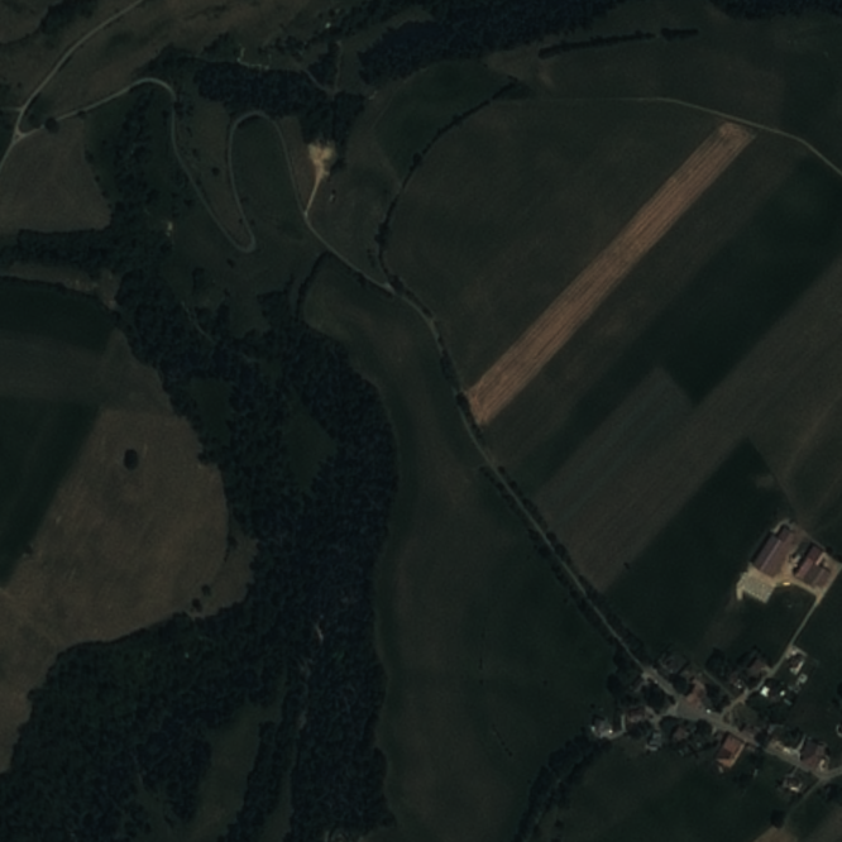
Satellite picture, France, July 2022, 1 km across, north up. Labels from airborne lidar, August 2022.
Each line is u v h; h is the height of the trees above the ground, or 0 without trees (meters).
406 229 0
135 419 0
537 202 0
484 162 0
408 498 0
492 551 0
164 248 15
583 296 0
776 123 0
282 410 19
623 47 0
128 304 9
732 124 0
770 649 0
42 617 0
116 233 11
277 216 0
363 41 0
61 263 11
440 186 0
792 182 0
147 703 24
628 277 0
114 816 27
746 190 0
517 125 0
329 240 0
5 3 0
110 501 0
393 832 0
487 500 0
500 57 0
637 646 18
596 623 17
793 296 0
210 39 0
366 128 0
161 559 0
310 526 33
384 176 0
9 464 0
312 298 0
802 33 0
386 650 0
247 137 0
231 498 21
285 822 0
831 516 0
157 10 0
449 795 0
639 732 15
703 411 0
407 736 0
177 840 0
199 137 0
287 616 23
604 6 15
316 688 17
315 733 15
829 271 0
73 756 25
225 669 16
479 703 0
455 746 0
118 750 25
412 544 0
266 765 8
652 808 0
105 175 0
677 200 0
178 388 11
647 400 0
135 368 0
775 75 0
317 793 19
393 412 0
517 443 0
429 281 0
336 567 22
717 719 0
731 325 0
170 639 21
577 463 0
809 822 0
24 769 9
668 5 0
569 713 0
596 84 0
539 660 0
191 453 0
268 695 15
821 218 0
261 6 0
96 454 0
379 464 13
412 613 0
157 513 0
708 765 0
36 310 0
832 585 0
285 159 0
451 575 0
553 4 28
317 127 11
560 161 0
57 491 0
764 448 0
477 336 0
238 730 0
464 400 13
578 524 0
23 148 0
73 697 13
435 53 19
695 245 0
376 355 0
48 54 0
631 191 0
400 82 0
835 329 0
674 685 15
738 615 0
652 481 0
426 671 0
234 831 17
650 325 0
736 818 0
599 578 0
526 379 0
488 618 0
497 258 0
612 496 0
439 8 23
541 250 0
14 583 0
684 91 0
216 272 0
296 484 12
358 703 16
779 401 0
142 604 0
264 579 21
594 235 0
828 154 0
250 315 0
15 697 0
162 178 0
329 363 16
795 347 0
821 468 0
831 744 0
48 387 0
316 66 7
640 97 0
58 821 15
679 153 0
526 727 0
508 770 0
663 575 0
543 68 0
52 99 0
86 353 0
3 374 0
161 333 15
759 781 0
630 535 0
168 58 14
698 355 0
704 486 0
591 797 0
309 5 0
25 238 8
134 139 10
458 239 0
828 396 0
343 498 15
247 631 26
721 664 7
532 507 12
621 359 0
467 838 0
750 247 0
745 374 0
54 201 0
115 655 11
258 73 10
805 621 0
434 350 0
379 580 0
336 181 0
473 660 0
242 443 18
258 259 0
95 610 0
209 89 20
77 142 0
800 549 0
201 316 15
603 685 0
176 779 17
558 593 0
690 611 0
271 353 11
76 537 0
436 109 0
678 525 0
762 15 12
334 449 0
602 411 0
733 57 0
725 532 0
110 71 0
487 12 30
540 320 0
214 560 0
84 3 10
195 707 8
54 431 0
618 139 0
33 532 0
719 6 14
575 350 0
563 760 21
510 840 0
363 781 19
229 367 29
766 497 0
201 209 0
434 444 0
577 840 0
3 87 8
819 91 0
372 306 0
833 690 0
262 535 23
